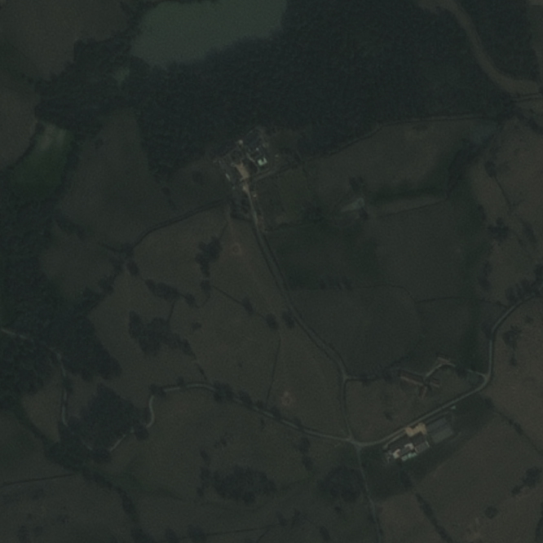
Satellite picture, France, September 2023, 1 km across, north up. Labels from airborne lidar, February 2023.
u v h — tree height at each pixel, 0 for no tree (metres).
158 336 13
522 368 0
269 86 22
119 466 0
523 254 0
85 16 0
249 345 0
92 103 16
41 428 0
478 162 0
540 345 0
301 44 26
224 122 22
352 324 0
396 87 11
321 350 0
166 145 20
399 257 0
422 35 18
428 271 0
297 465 0
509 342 11
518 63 18
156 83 21
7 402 6
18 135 0
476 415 0
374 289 0
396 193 0
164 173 17
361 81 17
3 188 7
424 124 0
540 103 0
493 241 0
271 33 0
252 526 0
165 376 0
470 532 0
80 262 0
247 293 0
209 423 0
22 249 9
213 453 0
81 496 0
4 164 0
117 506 0
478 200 0
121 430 15
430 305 0
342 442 0
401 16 16
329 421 0
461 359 0
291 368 0
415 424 0
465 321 0
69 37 0
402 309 0
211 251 20
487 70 0
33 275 15
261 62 18
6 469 0
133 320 15
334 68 20
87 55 5
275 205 0
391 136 0
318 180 0
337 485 9
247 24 0
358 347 0
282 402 0
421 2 0
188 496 0
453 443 0
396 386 0
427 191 0
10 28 0
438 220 0
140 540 15
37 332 6
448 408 0
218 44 0
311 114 15
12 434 0
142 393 0
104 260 0
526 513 0
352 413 0
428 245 0
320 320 0
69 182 8
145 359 0
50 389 0
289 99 27
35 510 0
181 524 0
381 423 0
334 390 0
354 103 21
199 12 0
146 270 0
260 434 0
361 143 0
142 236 0
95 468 0
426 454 0
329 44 18
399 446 0
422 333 0
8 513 0
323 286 20
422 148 0
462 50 8
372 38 13
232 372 0
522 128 0
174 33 0
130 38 10
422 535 0
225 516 0
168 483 0
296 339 0
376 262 0
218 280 0
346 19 17
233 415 0
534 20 0
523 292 18
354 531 0
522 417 0
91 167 0
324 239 0
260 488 11
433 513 15
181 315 0
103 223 0
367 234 0
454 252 0
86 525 0
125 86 11
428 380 6
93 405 13
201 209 0
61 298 0
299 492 0
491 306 0
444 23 12
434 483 0
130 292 0
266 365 0
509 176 0
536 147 0
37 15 0
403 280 0
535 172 0
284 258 0
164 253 0
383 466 0
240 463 0
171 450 0
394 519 0
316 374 0
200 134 16
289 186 0
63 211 0
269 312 0
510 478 0
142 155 0
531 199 0
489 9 9
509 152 0
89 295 8
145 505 0
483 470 0
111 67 7
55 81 21
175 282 0
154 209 0
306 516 0
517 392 0
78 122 17
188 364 0
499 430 0
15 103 0
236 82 23
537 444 0
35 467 0
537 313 0
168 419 0
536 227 0
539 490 0
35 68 0
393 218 0
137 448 0
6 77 0
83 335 12
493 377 0
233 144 0
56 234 0
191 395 0
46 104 11
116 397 11
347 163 0
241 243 0
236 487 10
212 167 0
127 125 0
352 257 0
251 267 0
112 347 0
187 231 0
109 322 0
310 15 11
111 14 0
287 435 0
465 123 0
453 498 0
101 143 12
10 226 10
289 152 6
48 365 23
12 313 0
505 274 0
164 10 0
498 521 0
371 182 0
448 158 0
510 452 0
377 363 0
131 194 0
